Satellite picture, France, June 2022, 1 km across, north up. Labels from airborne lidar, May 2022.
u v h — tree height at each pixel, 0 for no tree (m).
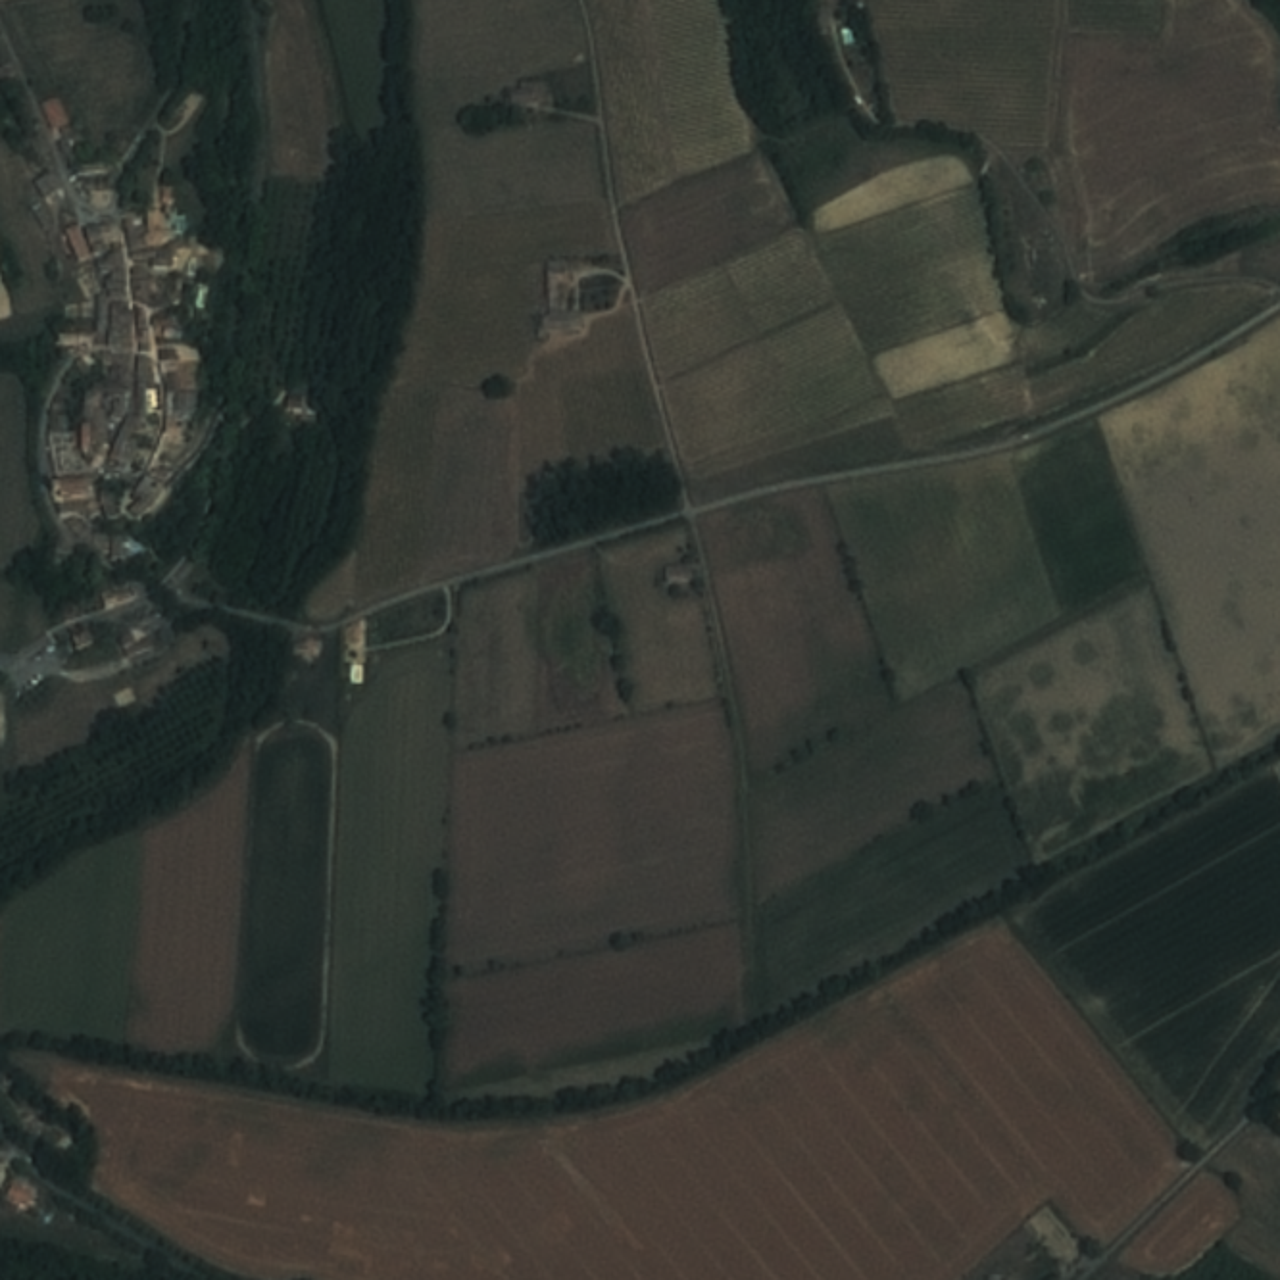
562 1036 0
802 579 0
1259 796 0
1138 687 0
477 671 0
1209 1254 6
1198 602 0
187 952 0
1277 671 0
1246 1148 0
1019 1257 0
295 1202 0
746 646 0
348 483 15
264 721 17
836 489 0
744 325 0
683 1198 0
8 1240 9
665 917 0
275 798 0
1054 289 0
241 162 15
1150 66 0
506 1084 0
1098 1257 22
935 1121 0
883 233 0
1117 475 0
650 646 0
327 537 14
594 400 0
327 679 0
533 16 0
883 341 0
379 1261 0
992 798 0
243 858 0
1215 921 0
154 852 0
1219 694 0
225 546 14
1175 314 0
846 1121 0
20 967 0
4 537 0
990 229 9
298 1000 0
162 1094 0
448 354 0
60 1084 0
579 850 0
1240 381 0
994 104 0
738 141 0
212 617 15
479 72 0
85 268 0
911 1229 0
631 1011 0
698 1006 0
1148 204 0
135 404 0
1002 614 0
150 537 8
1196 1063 0
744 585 0
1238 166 0
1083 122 0
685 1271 0
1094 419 0
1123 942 0
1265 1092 12
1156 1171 0
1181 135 0
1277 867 0
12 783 12
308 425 17
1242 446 0
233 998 0
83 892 0
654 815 0
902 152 0
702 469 0
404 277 22
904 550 0
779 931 0
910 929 0
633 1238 0
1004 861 0
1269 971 0
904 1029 0
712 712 0
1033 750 0
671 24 0
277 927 0
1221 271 0
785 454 0
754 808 0
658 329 0
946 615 0
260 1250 0
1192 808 13
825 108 11
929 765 0
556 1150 0
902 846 0
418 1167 0
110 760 18
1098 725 0
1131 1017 0
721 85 0
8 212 0
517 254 0
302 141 0
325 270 15
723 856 0
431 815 0
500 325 0
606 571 0
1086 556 0
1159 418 0
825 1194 0
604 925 0
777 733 0
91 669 0
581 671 0
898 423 0
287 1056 0
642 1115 0
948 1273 0
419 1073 0
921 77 0
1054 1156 0
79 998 0
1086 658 0
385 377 20
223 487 18
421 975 0
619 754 0
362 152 16
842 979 12
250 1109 0
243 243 16
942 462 0
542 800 0
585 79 0
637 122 0
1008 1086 0
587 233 0
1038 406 0
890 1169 0
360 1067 0
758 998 0
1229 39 0
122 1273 9
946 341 0
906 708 0
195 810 0
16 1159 8
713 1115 0
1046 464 0
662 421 0
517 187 0
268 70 0
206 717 8
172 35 13
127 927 0
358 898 0
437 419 0
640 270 0
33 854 13
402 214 17
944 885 0
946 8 0
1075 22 0
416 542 0
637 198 0
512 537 0
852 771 0
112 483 9
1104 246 0
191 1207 0
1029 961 0
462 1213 0
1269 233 8
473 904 0
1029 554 0
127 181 9
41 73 0
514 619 0
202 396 12
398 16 16
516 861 0
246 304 20
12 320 0
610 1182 0
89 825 14
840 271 0
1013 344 0
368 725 0
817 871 0
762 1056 0
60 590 9
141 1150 0
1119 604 0
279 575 19
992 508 0
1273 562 0
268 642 18
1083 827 0
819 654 0
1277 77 0
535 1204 0
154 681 0
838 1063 0
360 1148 0
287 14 0
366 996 0
